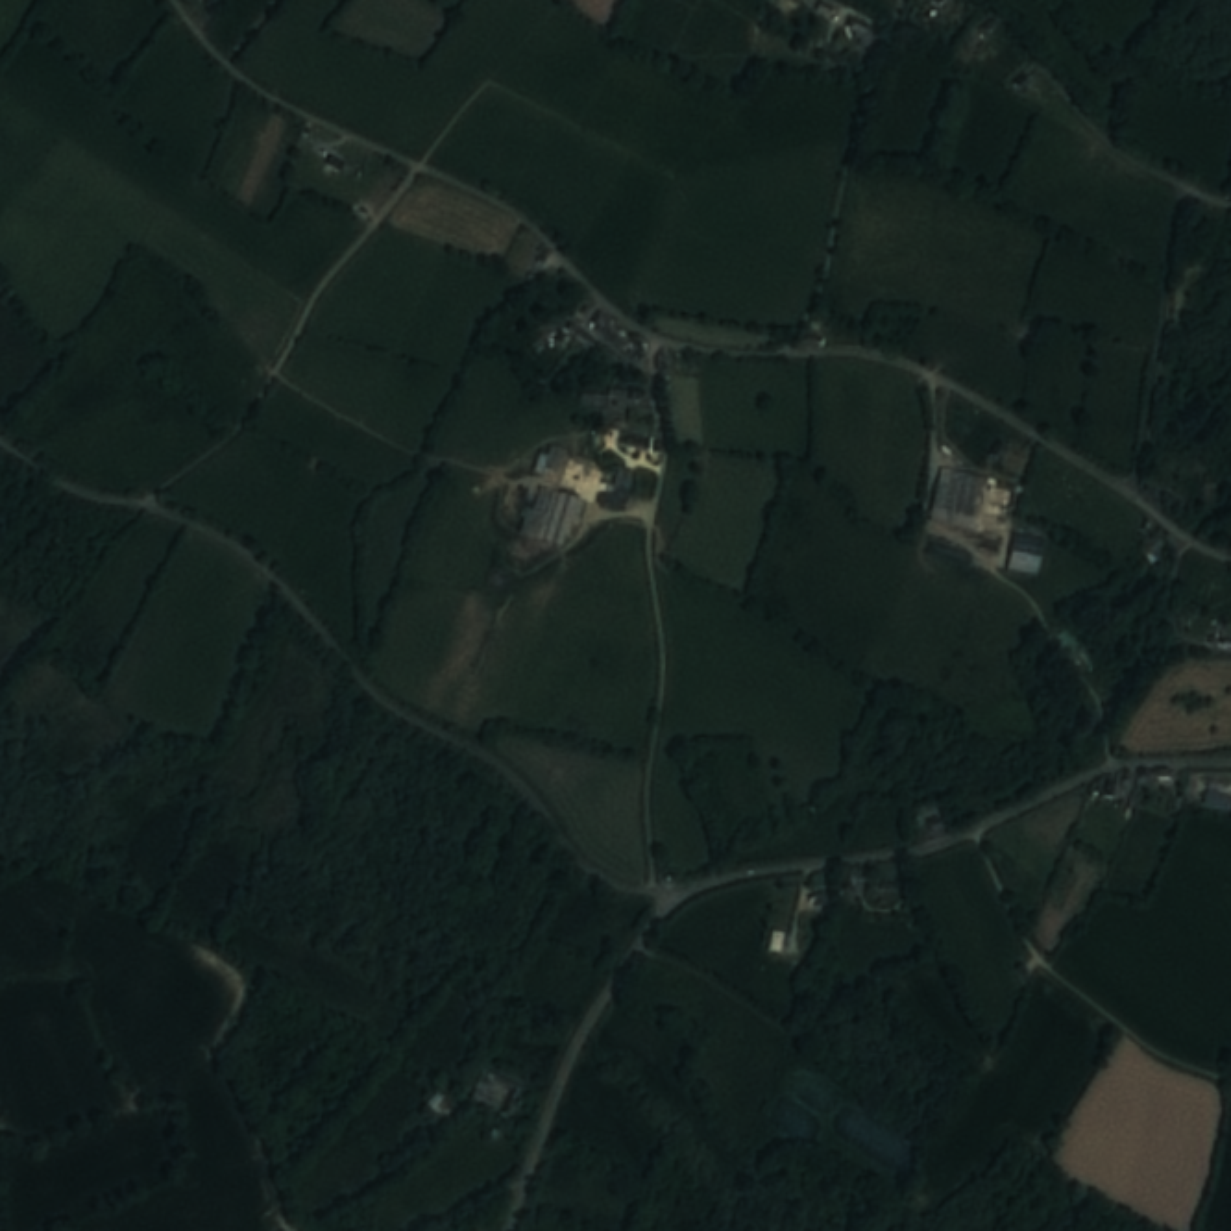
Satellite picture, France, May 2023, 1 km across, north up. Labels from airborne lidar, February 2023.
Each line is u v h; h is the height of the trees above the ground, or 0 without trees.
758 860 0
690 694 0
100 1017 0
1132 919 0
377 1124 0
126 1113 0
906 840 9
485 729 6
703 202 0
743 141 0
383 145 0
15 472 16
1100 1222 18
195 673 0
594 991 0
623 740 0
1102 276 0
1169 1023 0
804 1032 14
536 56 0
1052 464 0
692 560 0
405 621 0
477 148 0
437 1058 0
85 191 0
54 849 14
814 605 0
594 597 0
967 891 0
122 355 0
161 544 0
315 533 0
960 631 0
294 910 10
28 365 0
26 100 0
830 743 0
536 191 0
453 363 0
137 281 0
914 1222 9
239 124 0
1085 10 0
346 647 7
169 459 0
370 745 10
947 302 0
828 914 12
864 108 17
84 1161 0
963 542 0
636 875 0
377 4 0
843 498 10
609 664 0
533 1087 11
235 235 0
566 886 18
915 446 0
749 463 7
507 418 0
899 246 0
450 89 0
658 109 0
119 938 0
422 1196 0
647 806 0
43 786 11
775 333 11
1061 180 0
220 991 0
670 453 15
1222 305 11
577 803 0
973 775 6
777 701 0
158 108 0
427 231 0
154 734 12
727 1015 0
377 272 0
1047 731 8
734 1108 0
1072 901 0
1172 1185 0
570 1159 16
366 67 0
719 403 0
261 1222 0
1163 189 0
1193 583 0
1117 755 7
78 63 11
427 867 15
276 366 0
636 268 0
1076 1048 0
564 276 7
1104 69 21
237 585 0
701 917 0
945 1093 19
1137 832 0
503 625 0
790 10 0
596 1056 0
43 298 0
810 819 11
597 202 0
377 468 0
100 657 0
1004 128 0
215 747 14
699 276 0
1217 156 0
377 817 11
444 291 0
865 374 0
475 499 0
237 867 0
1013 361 0
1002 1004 0
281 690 0
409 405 0
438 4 11
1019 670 7
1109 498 0
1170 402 8
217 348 0
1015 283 0
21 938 0
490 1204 15
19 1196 0
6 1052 0
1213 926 0
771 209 0
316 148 0
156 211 0
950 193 16
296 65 0
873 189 0
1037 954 0
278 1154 14
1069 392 0
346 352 0
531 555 0
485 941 12
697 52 0
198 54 0
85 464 0
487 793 18
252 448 0
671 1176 6
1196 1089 0
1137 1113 0
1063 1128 14
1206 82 10
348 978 0
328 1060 12
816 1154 16
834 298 0
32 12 8
